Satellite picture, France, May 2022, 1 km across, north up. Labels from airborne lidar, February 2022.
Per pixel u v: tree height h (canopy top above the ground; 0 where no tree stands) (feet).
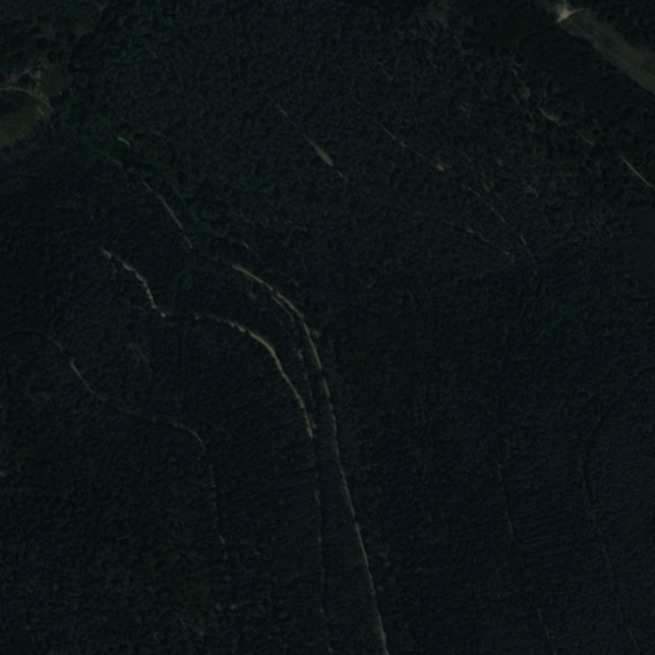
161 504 77
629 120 45
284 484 82
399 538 97
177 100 111
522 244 96
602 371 73
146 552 93
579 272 82
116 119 58
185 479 75
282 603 92
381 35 70
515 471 65
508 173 64
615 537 76
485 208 79
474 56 33
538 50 38
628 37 40
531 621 67
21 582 92
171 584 90
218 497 89
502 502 78
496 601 61
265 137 106
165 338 90
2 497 33
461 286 90
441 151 79
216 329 77
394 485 91
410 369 63
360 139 98
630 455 70
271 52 35
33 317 55
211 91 109
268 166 106
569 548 86
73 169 42
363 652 72
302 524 75
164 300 94
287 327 71
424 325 78
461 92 73
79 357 95
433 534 83
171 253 70
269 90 96
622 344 79
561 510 86
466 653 71
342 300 100
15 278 30
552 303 70
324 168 97
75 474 83
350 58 83
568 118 73
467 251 95
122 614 78
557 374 81
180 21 102
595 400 88
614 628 73
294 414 99
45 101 0
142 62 100
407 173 77
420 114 90
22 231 39
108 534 76
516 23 69
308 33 101
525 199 82
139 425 76
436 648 71
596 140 25
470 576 54
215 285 74
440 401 78
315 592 84
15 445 92
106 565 64
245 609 96
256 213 107
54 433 64
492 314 66
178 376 77
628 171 83
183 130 92
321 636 81
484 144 77
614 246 70
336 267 90
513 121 76
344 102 96
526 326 76
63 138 52
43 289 39
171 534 73
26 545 81
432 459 75
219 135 98
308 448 96
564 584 75
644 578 60
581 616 75
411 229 78
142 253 92
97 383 73
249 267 69
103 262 86
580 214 90
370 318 73
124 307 87
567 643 82
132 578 63
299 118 107
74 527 94
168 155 69
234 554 86
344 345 73
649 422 68
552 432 73
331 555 85
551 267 71
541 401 87
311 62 105
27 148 60
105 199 79
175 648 98
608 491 78
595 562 76
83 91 62
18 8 79
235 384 76
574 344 78
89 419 77
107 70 94
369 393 76
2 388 31
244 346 79
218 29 108
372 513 54
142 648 73
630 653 65
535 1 29
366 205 86
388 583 81
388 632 79
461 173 68
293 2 106
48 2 75
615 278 81
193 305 81
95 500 87
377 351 67
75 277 76
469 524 60
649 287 67
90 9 65
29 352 47
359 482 72
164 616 91
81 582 78
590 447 75
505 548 72
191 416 72
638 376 55
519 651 85
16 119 0
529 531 108
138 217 98
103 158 31
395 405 70
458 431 78
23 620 75
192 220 94
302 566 73
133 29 100
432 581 87
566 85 35
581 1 34
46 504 60
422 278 93
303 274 98
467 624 64
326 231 112
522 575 75
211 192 115
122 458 83
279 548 85
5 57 54
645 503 62
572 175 82
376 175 85
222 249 81
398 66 65
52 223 48
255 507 102
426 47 57
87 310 95
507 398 67
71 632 81
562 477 74
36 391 89
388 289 90
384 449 94
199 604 55
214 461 73
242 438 84
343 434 72
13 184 68
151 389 87
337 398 82
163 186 83
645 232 58
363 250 81
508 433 69
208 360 67
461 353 87
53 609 97
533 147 68
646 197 28
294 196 105
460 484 72
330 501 79
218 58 102
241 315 80
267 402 86
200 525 92
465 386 81
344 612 85
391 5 23
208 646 81
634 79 0
